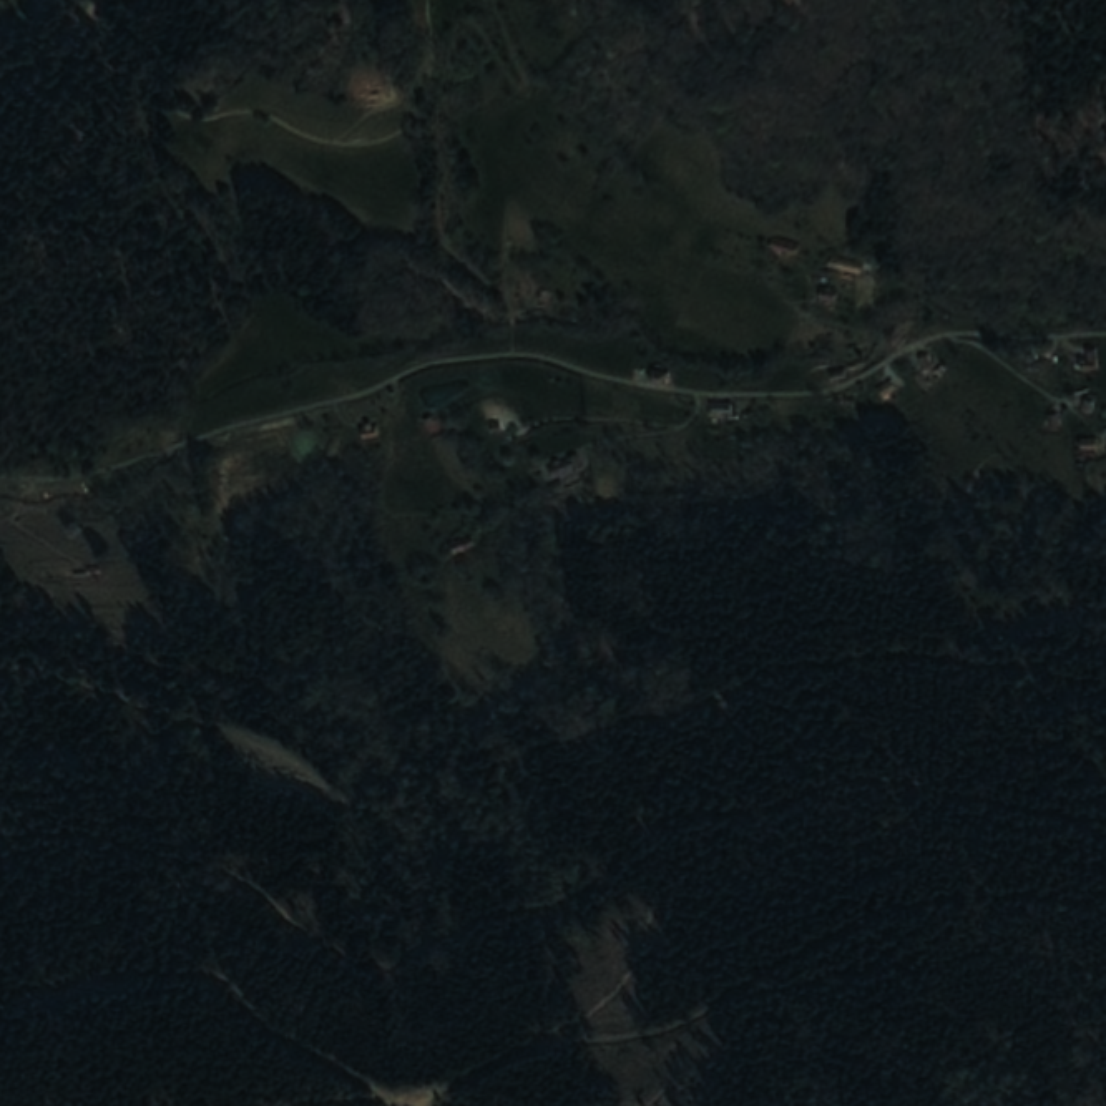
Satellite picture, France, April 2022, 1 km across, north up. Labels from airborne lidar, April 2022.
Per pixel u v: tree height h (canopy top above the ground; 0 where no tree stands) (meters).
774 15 17
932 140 28
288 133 0
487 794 25
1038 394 0
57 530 0
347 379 0
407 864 25
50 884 30
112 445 33
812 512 23
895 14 31
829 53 32
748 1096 19
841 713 26
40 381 19
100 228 21
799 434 7
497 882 15
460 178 18
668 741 31
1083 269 28
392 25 29
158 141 7
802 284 0
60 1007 22
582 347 0
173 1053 29
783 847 25
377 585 24
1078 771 16
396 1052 12
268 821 16
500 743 24
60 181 31
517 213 0
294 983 28
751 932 25
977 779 15
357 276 27
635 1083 0
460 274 22
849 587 25
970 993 20
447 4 0
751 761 21
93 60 32
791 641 29
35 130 16
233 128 0
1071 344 0
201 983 19
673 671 37
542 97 0
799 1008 29
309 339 0
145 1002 29
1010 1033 23
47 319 25
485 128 0
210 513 20
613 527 23
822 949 25
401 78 16
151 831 22
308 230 29
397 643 29
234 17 32
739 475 17
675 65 32
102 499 18
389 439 0
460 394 0
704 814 18
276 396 0
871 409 0
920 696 11
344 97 10
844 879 27
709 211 0
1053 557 25
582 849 19
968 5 31
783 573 29
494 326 23
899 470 31
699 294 0
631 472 10
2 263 27
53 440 28
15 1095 24
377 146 0
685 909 23
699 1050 0
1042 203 30
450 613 0
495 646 0
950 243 28
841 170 31
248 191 33
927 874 21
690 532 26
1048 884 27
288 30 27
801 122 34
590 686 36
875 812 25
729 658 25
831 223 0
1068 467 0
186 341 39
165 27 20
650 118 20
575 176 0
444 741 12
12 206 24
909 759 15
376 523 16
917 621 34
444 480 0
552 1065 20
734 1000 21
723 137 22
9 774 24
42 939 23
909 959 11
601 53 8
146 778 19
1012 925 21
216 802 15
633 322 20
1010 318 25
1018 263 35
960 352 18
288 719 16
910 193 25
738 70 26
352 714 31
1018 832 26
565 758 20
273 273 30
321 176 0
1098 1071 15
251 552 30
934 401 0
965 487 0
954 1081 19
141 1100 21
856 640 30
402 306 32
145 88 23
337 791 32
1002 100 26
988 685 24
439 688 29
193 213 6
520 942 23
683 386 0
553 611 10
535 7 0
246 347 0
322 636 24
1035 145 32
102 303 32
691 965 20
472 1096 6
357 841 15
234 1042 24
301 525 17
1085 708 30
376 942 12
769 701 27
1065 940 18
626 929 0
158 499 20
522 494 21
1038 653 26
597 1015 0
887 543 26
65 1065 21
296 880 17
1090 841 29
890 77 29
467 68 15
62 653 14
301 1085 18
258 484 0
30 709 10
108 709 30
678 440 0
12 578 27
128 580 0
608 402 0
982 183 30
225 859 14
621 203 0
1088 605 30
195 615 25
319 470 17
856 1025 27
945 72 30
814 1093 26
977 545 30
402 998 18
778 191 23
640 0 23
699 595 24
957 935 17
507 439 0
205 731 8
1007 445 0
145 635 25
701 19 23
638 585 21
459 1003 16
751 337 0
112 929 27
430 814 24
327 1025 17
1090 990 17
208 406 0
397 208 0
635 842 22
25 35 31
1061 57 23
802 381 0
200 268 8
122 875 31
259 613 36
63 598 0
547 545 25
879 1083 26
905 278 13
